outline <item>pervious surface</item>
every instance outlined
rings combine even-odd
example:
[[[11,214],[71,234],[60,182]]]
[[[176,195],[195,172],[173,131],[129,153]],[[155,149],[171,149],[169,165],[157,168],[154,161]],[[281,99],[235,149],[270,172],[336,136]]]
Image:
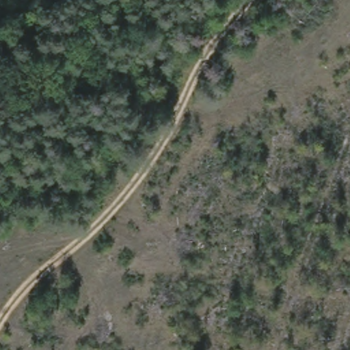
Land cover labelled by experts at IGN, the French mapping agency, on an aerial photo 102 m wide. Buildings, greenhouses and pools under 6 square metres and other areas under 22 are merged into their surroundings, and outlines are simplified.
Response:
[[[94,217],[89,228],[86,237],[72,239],[55,256],[38,265],[23,280],[21,286],[16,288],[7,302],[0,306],[0,336],[4,334],[4,325],[10,319],[11,313],[27,297],[31,288],[38,282],[37,276],[45,269],[49,265],[59,267],[72,253],[93,239],[113,216],[137,190],[146,176],[152,172],[165,146],[179,133],[187,103],[196,89],[201,62],[208,60],[215,52],[216,34],[206,40],[198,41],[198,46],[202,53],[191,67],[185,86],[180,90],[174,108],[175,119],[157,130],[159,137],[156,144],[142,160],[138,171],[131,176],[129,183],[119,191],[111,204]]]

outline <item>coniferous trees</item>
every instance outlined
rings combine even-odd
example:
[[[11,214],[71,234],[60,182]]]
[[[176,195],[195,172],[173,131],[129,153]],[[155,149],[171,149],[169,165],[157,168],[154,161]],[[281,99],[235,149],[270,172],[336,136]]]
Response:
[[[325,15],[328,14],[335,21],[339,7],[334,0],[252,0],[242,4],[241,10],[231,19],[226,29],[217,31],[216,34],[215,52],[208,60],[201,62],[196,89],[187,103],[179,133],[165,146],[152,172],[146,176],[137,190],[145,202],[146,221],[152,223],[157,219],[156,213],[160,211],[159,200],[164,196],[164,189],[171,185],[172,175],[178,172],[180,157],[189,150],[191,137],[204,134],[201,113],[208,112],[209,107],[219,105],[224,93],[230,92],[234,83],[232,64],[237,63],[239,59],[250,62],[254,59],[253,52],[257,46],[258,36],[253,33],[253,25],[257,25],[262,19],[286,15],[288,23],[284,27],[291,31],[294,40],[302,40],[305,33],[310,33],[323,25]]]
[[[238,201],[237,197],[246,191],[246,185],[242,180],[235,182],[232,179],[231,171],[224,167],[223,161],[226,160],[226,156],[232,160],[241,157],[242,149],[250,149],[253,152],[260,152],[260,163],[271,165],[273,160],[278,160],[276,148],[290,148],[294,139],[297,139],[305,129],[284,118],[286,108],[247,113],[241,126],[231,127],[215,135],[215,156],[202,154],[202,163],[198,165],[196,174],[189,172],[183,176],[178,193],[172,194],[168,200],[170,216],[175,216],[176,212],[190,212],[198,202],[198,196],[191,197],[187,202],[179,202],[187,189],[198,190],[198,183],[201,183],[209,191],[209,196],[205,198],[200,209],[200,219],[191,226],[185,224],[183,227],[175,228],[183,273],[180,273],[176,280],[172,280],[171,273],[156,273],[153,287],[150,288],[150,293],[164,294],[167,297],[167,301],[160,309],[170,309],[174,314],[168,320],[168,325],[174,328],[178,339],[170,345],[178,346],[178,350],[350,350],[350,286],[339,280],[332,283],[331,291],[328,293],[325,287],[317,287],[317,284],[302,286],[298,275],[299,268],[294,267],[288,268],[288,279],[283,288],[273,288],[271,279],[265,278],[254,283],[254,287],[247,284],[247,287],[241,287],[239,282],[232,280],[232,276],[238,273],[242,254],[254,252],[253,234],[256,234],[257,227],[264,226],[264,219],[271,220],[271,215],[264,213],[268,202],[261,202],[262,198],[267,197],[269,191],[279,193],[279,189],[273,183],[268,183],[250,204]]]
[[[67,312],[72,323],[83,325],[89,316],[89,306],[85,306],[79,314],[75,314],[74,309],[68,309]]]
[[[64,339],[55,335],[31,336],[34,345],[44,345],[51,350],[56,350],[56,345],[62,345]]]
[[[29,56],[34,63],[51,64],[53,60],[57,60],[57,68],[62,70],[66,66],[66,56],[62,53],[64,46],[60,44],[82,37],[89,37],[90,44],[98,44],[100,51],[113,56],[112,62],[107,63],[107,72],[112,78],[103,77],[101,81],[97,81],[96,86],[90,85],[86,78],[66,74],[63,77],[63,90],[66,93],[64,96],[38,98],[37,103],[31,104],[25,111],[14,112],[8,107],[0,109],[0,226],[10,220],[16,209],[21,206],[41,206],[48,209],[53,217],[72,217],[70,224],[79,224],[86,230],[89,228],[94,217],[111,204],[119,191],[129,183],[131,176],[138,171],[142,160],[156,144],[159,137],[157,130],[175,119],[174,108],[180,90],[168,81],[161,67],[174,62],[176,51],[187,52],[193,46],[198,46],[198,41],[206,40],[206,25],[200,19],[204,18],[206,8],[215,7],[215,0],[0,0],[0,70],[12,66],[16,60],[26,60]],[[111,30],[118,30],[118,27],[142,33],[156,30],[156,38],[146,42],[142,52],[131,51],[129,48],[120,48],[112,52],[109,49],[112,45],[109,41],[112,38]]]
[[[124,268],[123,282],[127,286],[133,286],[135,283],[144,282],[142,273],[130,271],[129,264],[134,254],[124,247],[118,256],[118,264]]]
[[[116,232],[116,217],[113,216],[93,239],[93,247],[97,253],[104,252],[112,246],[112,235]]]
[[[116,332],[111,332],[111,342],[98,343],[97,336],[93,334],[82,336],[77,340],[77,350],[123,350],[122,338]]]

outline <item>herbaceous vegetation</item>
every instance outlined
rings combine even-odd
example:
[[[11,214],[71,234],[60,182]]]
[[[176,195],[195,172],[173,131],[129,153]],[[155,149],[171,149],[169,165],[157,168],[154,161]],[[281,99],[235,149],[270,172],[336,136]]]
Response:
[[[116,217],[116,232],[112,235],[112,246],[104,252],[97,253],[93,247],[93,239],[72,253],[59,267],[49,265],[45,269],[53,273],[56,280],[62,273],[70,278],[71,284],[63,288],[63,295],[74,295],[79,291],[77,306],[74,309],[75,314],[79,314],[85,306],[89,306],[89,316],[83,325],[72,323],[67,312],[62,309],[53,313],[55,335],[64,339],[62,345],[56,345],[56,350],[77,350],[77,340],[82,336],[93,334],[97,336],[98,343],[111,342],[111,332],[116,332],[122,338],[123,350],[178,350],[178,346],[170,345],[178,339],[174,328],[168,325],[168,320],[174,314],[170,309],[160,309],[167,301],[167,297],[164,294],[150,293],[150,288],[153,287],[156,273],[171,273],[172,280],[176,280],[180,273],[183,273],[175,228],[183,227],[185,224],[191,226],[200,219],[200,209],[205,198],[209,196],[209,191],[201,183],[198,183],[198,190],[187,189],[179,202],[187,202],[191,197],[198,196],[198,202],[190,212],[176,212],[175,216],[170,216],[168,200],[172,194],[178,193],[183,176],[189,172],[196,174],[198,165],[202,163],[202,154],[215,156],[215,135],[231,127],[241,126],[247,113],[286,108],[284,118],[305,129],[308,129],[314,107],[319,107],[320,113],[328,115],[334,119],[335,124],[343,127],[346,145],[350,146],[350,0],[334,0],[339,7],[335,21],[328,14],[325,15],[323,25],[310,33],[305,33],[302,40],[294,40],[291,31],[284,27],[279,27],[276,37],[258,36],[257,46],[253,52],[254,59],[250,62],[239,59],[237,63],[232,64],[234,83],[230,92],[224,93],[219,105],[209,107],[208,112],[201,113],[204,134],[191,137],[189,150],[180,157],[178,172],[172,175],[171,185],[164,189],[164,196],[159,200],[160,211],[156,213],[157,219],[152,223],[146,221],[145,202],[137,190],[113,216]],[[130,271],[142,273],[144,282],[135,283],[133,286],[127,286],[123,282],[124,268],[118,264],[118,256],[124,247],[134,254],[129,264]]]
[[[55,256],[72,239],[70,235],[51,235],[25,230],[12,232],[11,237],[4,241],[0,238],[0,306],[7,302],[16,288],[21,286],[23,280],[38,265]]]
[[[19,323],[23,319],[27,297],[11,313],[10,319],[4,325],[4,334],[0,336],[0,350],[51,350],[44,345],[34,345],[31,336],[21,329]]]

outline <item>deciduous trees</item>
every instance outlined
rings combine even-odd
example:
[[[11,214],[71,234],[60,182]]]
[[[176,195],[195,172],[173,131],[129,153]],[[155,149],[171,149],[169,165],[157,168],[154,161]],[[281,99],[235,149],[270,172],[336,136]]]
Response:
[[[63,295],[63,288],[71,284],[70,278],[62,273],[56,280],[53,273],[45,269],[37,276],[38,282],[31,288],[27,297],[23,319],[19,323],[21,329],[31,336],[55,335],[53,313],[62,309],[67,312],[68,309],[74,309],[77,306],[79,291],[74,295]]]
[[[156,30],[142,33],[118,27],[118,30],[111,30],[112,38],[109,41],[112,45],[109,49],[112,52],[120,48],[129,48],[131,51],[142,52],[146,42],[156,38]]]
[[[198,46],[193,46],[187,52],[176,51],[174,62],[161,67],[168,81],[180,90],[185,86],[191,67],[202,53]]]
[[[264,219],[264,226],[257,227],[256,234],[253,234],[254,252],[242,254],[238,273],[232,276],[232,280],[239,282],[241,287],[247,287],[247,284],[254,287],[254,283],[265,278],[271,279],[273,288],[283,288],[288,279],[288,268],[294,267],[299,268],[298,275],[302,286],[317,284],[317,287],[325,287],[328,293],[331,291],[332,283],[339,280],[350,286],[350,146],[346,145],[343,127],[335,124],[334,119],[328,115],[320,113],[319,107],[314,107],[308,129],[305,129],[297,139],[294,139],[290,148],[276,148],[278,160],[273,160],[271,165],[260,163],[260,152],[253,152],[250,149],[242,149],[241,157],[232,160],[226,156],[226,160],[223,161],[224,167],[231,171],[232,179],[235,182],[242,180],[246,185],[246,191],[237,197],[238,201],[250,204],[268,183],[273,183],[279,189],[279,193],[269,191],[267,197],[262,198],[261,202],[268,202],[264,213],[271,215],[271,220]]]
[[[26,60],[16,60],[12,66],[0,70],[0,109],[8,107],[14,112],[25,111],[31,104],[37,103],[38,98],[64,96],[66,93],[63,90],[63,77],[66,74],[86,78],[90,85],[96,86],[97,81],[101,81],[103,77],[112,78],[107,72],[107,63],[112,62],[113,56],[100,51],[98,44],[90,44],[89,37],[82,37],[60,44],[64,46],[62,53],[66,56],[66,66],[62,70],[57,68],[57,60],[53,60],[51,64],[34,63],[29,56]]]
[[[53,217],[48,209],[41,206],[21,206],[16,209],[10,220],[0,226],[0,238],[4,241],[11,237],[12,232],[25,230],[51,235],[70,235],[72,239],[86,237],[89,228],[86,230],[79,224],[70,224],[72,217]]]
[[[258,36],[276,37],[279,27],[284,27],[288,23],[286,15],[262,19],[257,25],[253,25],[253,33]]]
[[[241,10],[242,4],[252,0],[215,0],[215,7],[206,8],[204,18],[200,19],[206,25],[206,40],[216,34],[217,31],[226,29],[231,19]]]

